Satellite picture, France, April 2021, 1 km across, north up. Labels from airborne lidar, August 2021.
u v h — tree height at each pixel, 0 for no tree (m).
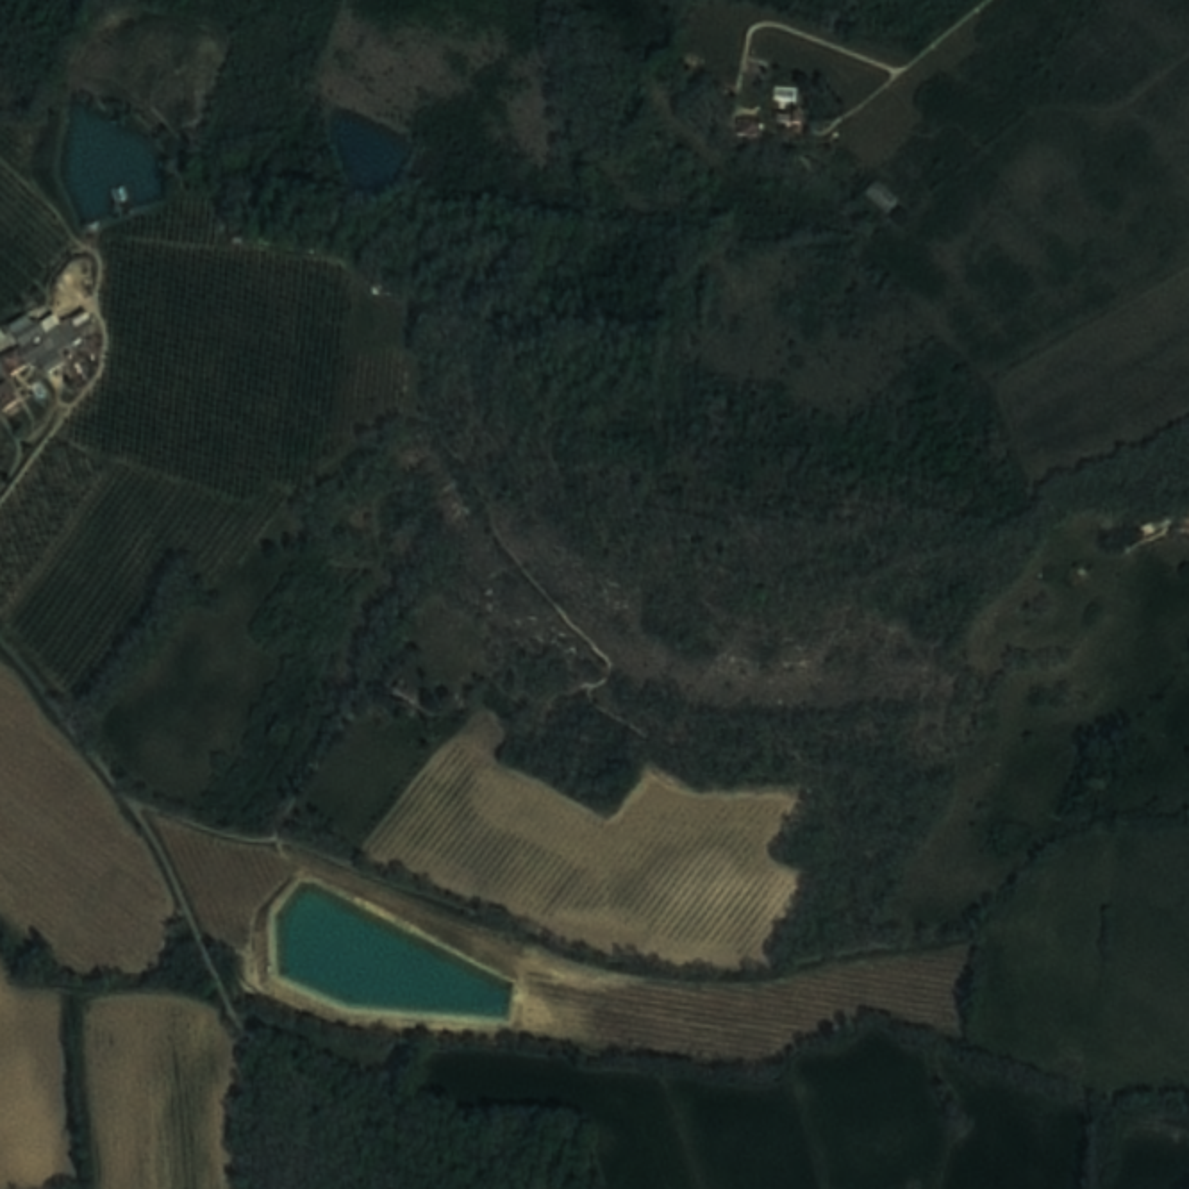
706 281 9
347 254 13
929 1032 12
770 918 0
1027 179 0
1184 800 0
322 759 7
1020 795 0
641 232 15
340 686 11
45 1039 0
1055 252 0
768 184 10
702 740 14
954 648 11
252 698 0
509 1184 21
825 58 0
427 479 8
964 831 0
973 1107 0
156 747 0
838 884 18
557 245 17
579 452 9
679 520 13
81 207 0
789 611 13
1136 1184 0
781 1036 0
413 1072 27
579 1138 16
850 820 14
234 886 0
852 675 0
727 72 0
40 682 0
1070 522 20
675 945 0
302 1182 15
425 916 0
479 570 0
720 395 10
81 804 0
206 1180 0
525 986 0
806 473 9
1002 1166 0
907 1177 0
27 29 12
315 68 14
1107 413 0
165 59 0
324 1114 22
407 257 19
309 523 17
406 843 0
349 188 6
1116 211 0
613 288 7
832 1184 0
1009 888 6
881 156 0
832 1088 0
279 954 0
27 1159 0
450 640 0
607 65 18
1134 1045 0
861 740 12
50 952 29
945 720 6
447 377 14
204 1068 0
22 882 0
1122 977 0
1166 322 0
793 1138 0
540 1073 0
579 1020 0
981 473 6
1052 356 0
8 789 0
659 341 20
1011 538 18
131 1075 0
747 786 15
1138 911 0
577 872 0
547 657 7
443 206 12
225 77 8
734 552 10
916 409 7
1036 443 0
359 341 0
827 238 15
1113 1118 11
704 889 0
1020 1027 0
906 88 0
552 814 0
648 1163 0
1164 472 15
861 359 0
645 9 0
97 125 0
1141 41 0
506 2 6
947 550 14
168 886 0
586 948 12
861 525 12
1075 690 10
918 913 0
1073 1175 0
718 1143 0
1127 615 0
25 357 0
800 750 14
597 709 7
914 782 22
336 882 0
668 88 11
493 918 16
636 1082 0
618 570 7
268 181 7
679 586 9
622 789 21
